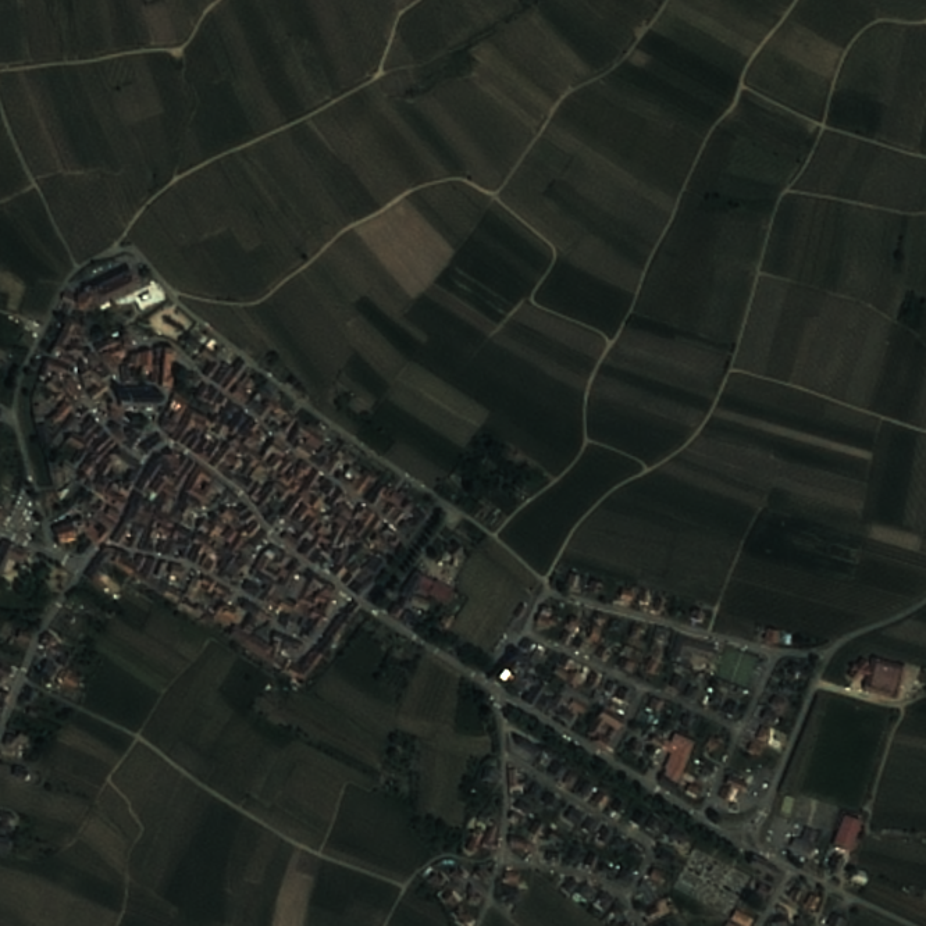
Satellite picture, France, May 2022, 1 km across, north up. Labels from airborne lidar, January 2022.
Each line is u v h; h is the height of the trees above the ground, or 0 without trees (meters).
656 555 0
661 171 0
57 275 0
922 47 0
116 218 0
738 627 0
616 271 0
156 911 0
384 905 0
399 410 0
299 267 0
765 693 0
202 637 0
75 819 0
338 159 0
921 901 0
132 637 0
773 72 0
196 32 0
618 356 0
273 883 0
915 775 0
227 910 0
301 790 0
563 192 0
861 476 0
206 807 0
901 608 0
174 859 0
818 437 0
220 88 0
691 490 0
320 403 0
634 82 0
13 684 0
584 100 0
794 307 0
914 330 0
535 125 0
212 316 0
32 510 0
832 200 0
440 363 0
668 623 0
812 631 0
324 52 0
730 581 0
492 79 0
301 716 0
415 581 0
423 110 0
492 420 0
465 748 0
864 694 0
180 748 0
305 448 0
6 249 0
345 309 0
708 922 0
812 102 0
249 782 0
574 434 0
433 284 0
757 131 0
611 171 0
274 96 0
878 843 0
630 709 0
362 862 0
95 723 0
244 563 0
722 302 0
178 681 0
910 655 0
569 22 0
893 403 0
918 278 0
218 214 0
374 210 0
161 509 0
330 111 0
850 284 0
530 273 0
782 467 0
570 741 0
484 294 0
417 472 0
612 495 0
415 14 0
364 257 0
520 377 0
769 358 0
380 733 0
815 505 0
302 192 0
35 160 0
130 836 0
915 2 0
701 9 0
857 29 0
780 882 0
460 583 0
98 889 0
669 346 0
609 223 0
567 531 0
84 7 0
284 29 0
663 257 0
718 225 0
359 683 0
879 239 0
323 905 0
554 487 0
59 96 0
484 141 0
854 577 0
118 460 0
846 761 0
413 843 0
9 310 0
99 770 0
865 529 0
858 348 0
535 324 0
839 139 0
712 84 0
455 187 0
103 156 0
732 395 0
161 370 0
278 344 0
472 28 0
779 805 0
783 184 0
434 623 6
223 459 0
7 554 0
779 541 0
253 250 0
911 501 0
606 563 0
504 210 0
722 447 0
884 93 0
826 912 0
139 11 0
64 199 0
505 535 0
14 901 0
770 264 0
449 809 0
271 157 0
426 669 0
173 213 0
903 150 0
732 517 0
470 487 17
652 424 0
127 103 0
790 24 0
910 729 0
